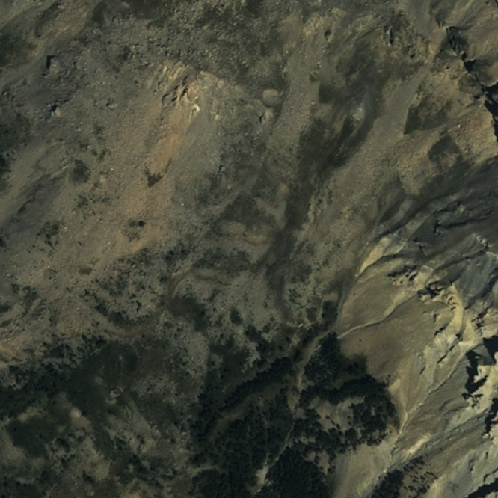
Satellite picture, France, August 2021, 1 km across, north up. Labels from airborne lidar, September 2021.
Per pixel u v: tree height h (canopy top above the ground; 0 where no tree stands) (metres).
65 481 0
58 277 0
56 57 0
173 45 0
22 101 0
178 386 0
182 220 0
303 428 10
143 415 0
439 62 0
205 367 0
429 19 0
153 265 0
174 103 0
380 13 0
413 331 0
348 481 0
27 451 0
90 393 0
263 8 0
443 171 0
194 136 0
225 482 18
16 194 0
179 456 0
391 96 0
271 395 0
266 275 0
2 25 0
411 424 0
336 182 0
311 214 0
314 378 9
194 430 13
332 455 8
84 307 0
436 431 0
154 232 0
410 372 0
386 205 0
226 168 0
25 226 0
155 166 0
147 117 0
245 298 0
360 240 0
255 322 0
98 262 0
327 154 0
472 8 0
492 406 0
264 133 0
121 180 0
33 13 0
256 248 0
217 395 0
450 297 0
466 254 0
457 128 0
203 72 0
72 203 0
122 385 0
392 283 0
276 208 0
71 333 0
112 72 0
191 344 0
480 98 0
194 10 0
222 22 0
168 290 0
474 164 0
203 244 0
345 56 0
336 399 18
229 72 0
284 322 0
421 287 0
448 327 0
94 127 0
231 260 0
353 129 0
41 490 0
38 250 0
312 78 0
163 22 0
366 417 13
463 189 0
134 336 0
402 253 0
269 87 0
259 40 0
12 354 0
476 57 0
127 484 0
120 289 0
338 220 0
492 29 0
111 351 0
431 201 0
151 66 0
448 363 0
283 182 0
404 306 0
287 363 20
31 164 0
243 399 18
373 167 0
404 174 0
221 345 0
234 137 0
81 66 0
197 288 0
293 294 0
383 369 0
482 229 0
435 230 0
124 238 0
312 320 0
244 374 0
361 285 0
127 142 0
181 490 0
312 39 0
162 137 0
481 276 0
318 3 0
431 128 0
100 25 0
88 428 0
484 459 0
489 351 0
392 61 0
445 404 0
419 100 0
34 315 0
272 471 7
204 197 0
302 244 0
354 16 0
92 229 0
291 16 0
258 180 0
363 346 0
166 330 0
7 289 0
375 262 0
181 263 0
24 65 0
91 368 0
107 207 0
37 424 0
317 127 0
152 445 0
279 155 0
